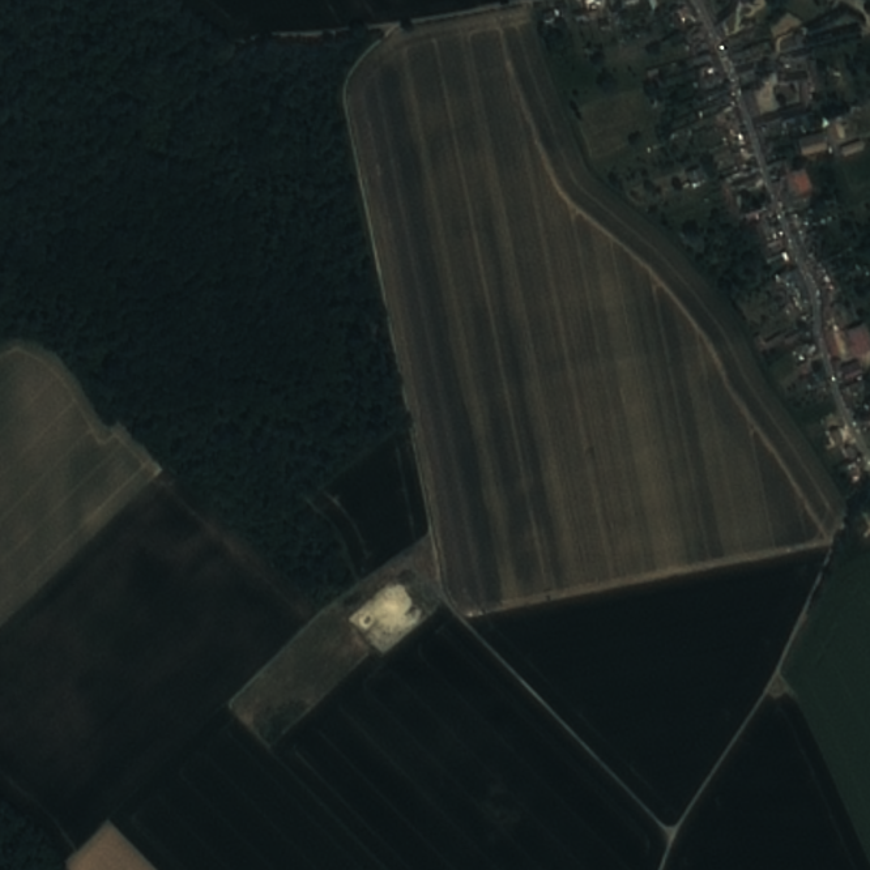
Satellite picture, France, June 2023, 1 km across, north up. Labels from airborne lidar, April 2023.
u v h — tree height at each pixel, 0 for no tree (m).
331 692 0
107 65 17
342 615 0
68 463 0
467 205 0
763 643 0
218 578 0
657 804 0
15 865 15
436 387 0
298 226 19
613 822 0
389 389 21
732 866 0
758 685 0
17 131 22
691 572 0
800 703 0
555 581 0
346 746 0
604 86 18
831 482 0
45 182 25
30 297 19
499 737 0
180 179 23
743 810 0
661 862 0
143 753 0
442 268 0
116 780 0
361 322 24
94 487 0
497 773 0
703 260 7
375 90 0
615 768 0
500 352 0
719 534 0
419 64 0
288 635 0
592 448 0
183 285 24
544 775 0
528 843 0
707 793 0
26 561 0
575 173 0
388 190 0
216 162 14
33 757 0
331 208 16
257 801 0
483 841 0
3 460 0
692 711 0
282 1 0
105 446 0
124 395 19
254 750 0
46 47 23
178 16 20
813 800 0
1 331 13
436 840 0
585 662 0
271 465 20
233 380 23
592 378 0
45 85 14
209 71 20
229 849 0
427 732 0
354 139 0
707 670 0
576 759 0
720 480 0
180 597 0
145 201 24
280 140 21
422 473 0
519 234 0
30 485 0
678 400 0
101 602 0
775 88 0
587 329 0
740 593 0
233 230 20
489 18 0
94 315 19
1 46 21
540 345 0
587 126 0
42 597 0
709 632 0
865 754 0
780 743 0
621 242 0
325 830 0
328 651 0
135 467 0
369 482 0
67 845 0
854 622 0
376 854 0
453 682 0
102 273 24
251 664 0
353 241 22
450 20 0
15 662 0
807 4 0
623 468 0
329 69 13
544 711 0
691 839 0
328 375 21
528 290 0
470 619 0
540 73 0
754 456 0
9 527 0
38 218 22
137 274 21
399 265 0
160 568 0
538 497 0
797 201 0
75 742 0
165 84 14
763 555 0
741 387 0
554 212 0
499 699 0
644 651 0
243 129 17
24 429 0
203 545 0
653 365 0
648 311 0
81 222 22
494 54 0
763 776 0
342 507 0
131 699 0
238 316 21
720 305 0
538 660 0
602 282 0
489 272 0
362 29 14
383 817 0
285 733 0
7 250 22
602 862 0
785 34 0
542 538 0
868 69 15
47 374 0
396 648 0
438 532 0
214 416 12
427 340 0
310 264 23
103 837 0
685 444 0
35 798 0
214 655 0
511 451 0
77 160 22
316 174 19
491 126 0
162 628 0
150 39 14
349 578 16
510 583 0
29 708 0
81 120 19
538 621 0
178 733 0
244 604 0
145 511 0
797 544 0
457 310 0
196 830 0
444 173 0
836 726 0
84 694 0
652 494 0
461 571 0
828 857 0
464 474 0
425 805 0
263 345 25
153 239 23
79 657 0
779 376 0
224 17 0
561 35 11
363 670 0
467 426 0
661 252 0
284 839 0
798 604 0
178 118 17
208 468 20
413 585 0
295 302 21
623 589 0
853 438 0
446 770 0
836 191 6
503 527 0
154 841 0
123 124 24
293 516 12
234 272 19
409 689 0
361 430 22
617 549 0
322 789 0
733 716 0
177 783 0
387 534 0
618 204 0
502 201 0
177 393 23
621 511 0
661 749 0
